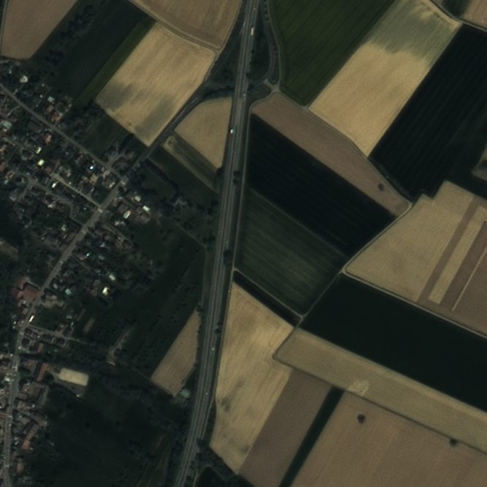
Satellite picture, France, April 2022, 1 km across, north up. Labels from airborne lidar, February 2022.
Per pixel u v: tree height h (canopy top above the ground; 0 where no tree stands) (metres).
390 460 0
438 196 0
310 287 0
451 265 0
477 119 0
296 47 0
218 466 20
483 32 0
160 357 0
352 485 0
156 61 0
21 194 0
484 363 0
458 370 0
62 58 19
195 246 0
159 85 0
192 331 0
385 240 0
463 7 0
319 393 0
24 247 18
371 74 0
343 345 0
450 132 0
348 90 0
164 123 0
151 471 0
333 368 0
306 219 0
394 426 0
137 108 0
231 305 0
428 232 0
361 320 0
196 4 0
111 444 0
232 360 0
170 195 0
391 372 0
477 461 0
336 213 0
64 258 0
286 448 0
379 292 0
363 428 0
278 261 0
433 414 0
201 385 0
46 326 6
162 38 0
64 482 0
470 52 0
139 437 0
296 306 0
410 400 0
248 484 0
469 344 0
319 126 0
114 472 0
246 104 0
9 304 17
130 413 0
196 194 0
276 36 0
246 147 0
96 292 0
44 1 0
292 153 0
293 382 0
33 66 0
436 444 0
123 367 0
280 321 0
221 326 6
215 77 0
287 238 0
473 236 0
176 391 0
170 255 0
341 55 0
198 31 0
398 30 0
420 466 0
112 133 0
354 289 0
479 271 0
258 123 0
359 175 0
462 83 0
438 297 0
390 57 0
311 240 0
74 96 0
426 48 0
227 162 0
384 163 0
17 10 0
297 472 0
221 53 0
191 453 0
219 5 0
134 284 11
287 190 0
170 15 0
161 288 0
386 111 0
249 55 0
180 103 0
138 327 0
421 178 0
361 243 0
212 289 0
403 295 0
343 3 0
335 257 0
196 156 0
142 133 0
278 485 0
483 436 0
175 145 0
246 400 0
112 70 0
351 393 0
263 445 0
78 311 0
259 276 0
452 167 0
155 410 13
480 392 0
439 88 0
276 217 0
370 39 0
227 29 0
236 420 0
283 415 0
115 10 0
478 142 0
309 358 0
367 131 0
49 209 8
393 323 0
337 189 0
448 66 0
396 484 0
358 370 0
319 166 0
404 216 0
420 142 0
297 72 0
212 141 0
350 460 0
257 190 0
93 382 0
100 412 0
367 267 0
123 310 0
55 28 0
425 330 0
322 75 0
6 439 0
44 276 0
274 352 0
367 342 0
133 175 16
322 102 0
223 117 0
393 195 0
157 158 0
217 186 0
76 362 14
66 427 0
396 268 0
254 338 0
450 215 0
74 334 0
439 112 0
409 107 0
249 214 0
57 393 0
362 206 0
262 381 0
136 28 0
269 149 0
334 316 0
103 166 0
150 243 0
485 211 0
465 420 0
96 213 0
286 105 0
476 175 0
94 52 0
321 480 0
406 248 0
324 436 0
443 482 0
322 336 0
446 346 0
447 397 0
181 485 0
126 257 13
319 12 0
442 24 0
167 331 0
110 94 0
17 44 0
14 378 0
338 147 0
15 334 18
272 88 0
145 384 0
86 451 0
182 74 0
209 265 0
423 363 0
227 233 0
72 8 0
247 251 0
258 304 0
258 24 0
